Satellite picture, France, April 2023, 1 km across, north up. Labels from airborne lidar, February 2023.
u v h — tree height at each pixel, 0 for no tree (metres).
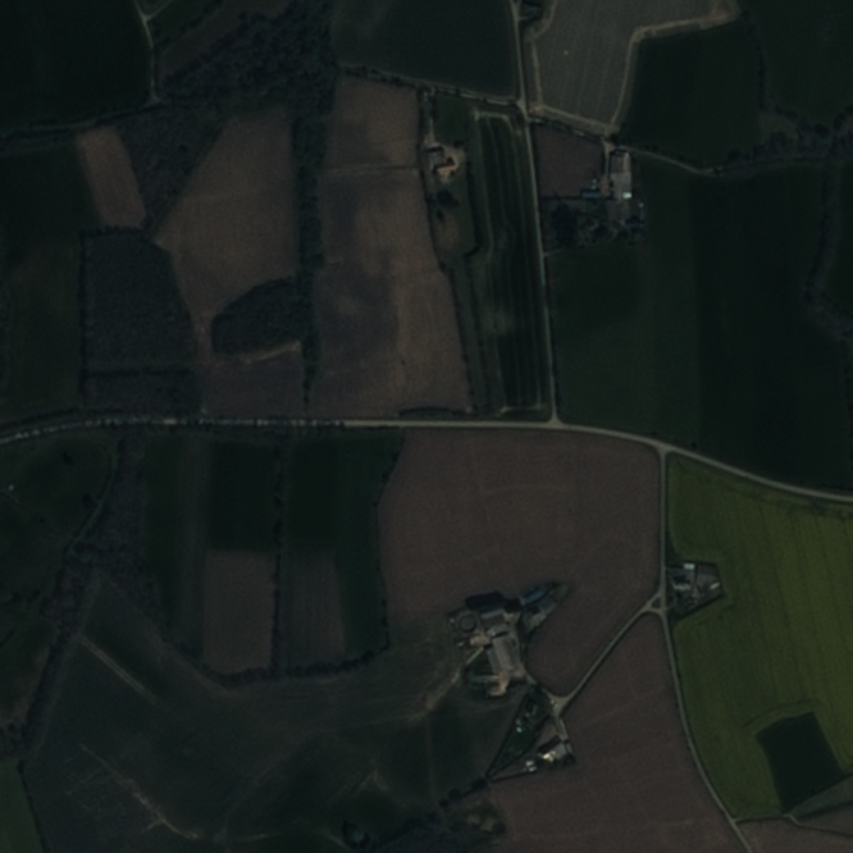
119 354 16
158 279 13
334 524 0
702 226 0
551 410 0
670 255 0
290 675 14
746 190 0
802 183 0
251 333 13
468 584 0
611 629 0
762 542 0
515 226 0
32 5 0
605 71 0
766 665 0
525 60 0
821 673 0
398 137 0
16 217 0
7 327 11
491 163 0
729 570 0
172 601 0
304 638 0
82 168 0
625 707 0
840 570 0
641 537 0
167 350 13
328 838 0
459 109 0
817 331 0
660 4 0
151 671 0
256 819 0
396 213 0
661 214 0
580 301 0
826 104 0
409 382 0
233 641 0
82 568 17
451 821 0
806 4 0
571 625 0
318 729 0
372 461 0
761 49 7
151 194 8
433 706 0
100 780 0
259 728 0
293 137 11
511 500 0
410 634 0
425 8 0
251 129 0
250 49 15
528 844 0
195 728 0
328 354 0
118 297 12
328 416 0
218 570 0
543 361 0
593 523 0
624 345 0
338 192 0
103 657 0
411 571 0
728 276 0
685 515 0
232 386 0
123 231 8
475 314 10
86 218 0
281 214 0
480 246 5
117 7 0
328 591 0
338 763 0
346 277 0
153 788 0
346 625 0
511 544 0
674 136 0
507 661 0
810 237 0
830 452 0
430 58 0
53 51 0
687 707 0
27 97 0
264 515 0
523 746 0
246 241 0
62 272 0
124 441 14
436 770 0
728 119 0
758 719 0
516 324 0
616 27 0
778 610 0
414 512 0
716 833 0
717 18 0
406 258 0
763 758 0
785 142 16
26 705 0
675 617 7
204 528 0
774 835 0
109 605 0
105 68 0
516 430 0
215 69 17
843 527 0
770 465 0
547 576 0
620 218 0
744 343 0
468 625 0
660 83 0
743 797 0
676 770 0
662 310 0
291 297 8
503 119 0
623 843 0
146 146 11
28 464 0
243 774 0
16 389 0
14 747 16
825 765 0
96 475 0
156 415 12
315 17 7
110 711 0
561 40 0
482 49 0
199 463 0
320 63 24
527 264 0
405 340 0
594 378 0
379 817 0
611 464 0
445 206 10
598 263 0
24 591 0
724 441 0
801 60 0
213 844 0
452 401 0
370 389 0
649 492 0
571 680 0
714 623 0
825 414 0
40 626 0
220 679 11
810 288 11
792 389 0
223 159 0
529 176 0
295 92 17
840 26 0
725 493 0
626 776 0
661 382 0
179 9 0
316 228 10
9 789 0
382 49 0
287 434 22
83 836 0
